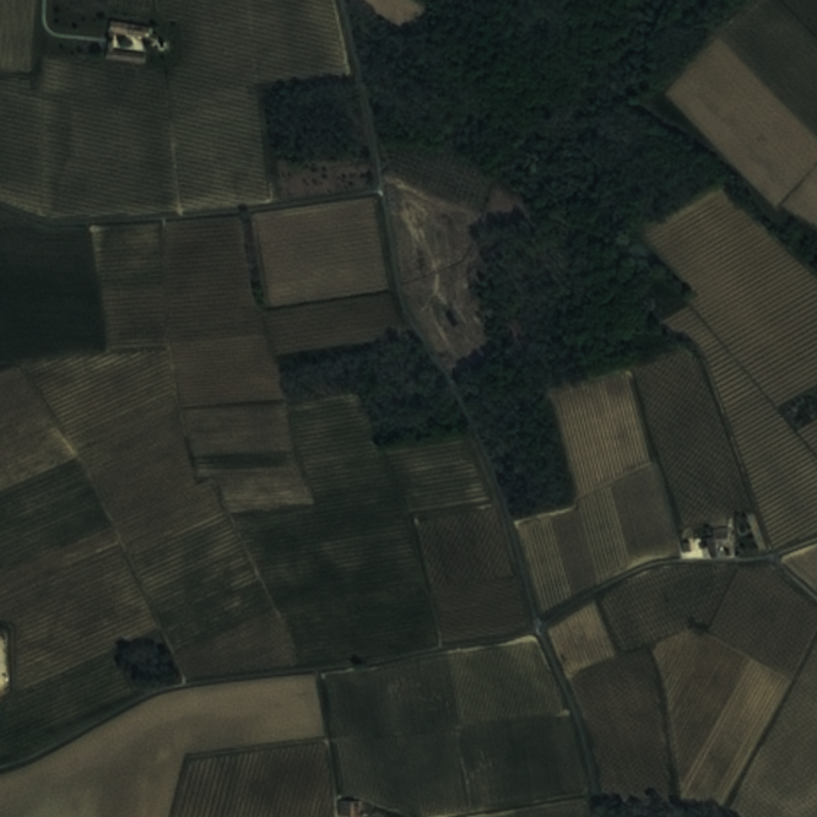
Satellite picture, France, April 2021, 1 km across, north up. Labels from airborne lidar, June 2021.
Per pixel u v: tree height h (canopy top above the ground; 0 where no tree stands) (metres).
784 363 0
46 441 0
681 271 0
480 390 25
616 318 25
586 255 24
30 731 0
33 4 0
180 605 0
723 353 0
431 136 23
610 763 0
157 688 19
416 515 0
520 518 15
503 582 0
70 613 0
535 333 8
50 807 0
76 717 0
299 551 0
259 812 0
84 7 16
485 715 0
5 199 0
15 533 0
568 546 0
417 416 20
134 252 0
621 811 19
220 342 0
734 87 0
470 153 25
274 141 15
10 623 0
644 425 0
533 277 19
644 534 0
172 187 0
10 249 0
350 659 0
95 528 0
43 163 0
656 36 17
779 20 0
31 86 0
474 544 0
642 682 0
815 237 6
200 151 0
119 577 0
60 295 0
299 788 0
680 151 21
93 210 0
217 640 0
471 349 0
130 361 0
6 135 0
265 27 0
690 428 0
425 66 19
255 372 0
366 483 0
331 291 0
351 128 25
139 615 0
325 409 0
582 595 0
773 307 0
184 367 0
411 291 0
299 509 0
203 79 0
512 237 22
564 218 23
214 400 0
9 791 0
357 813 0
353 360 16
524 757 0
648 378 0
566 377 17
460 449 0
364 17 18
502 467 19
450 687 0
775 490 0
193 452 0
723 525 0
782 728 0
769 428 0
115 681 0
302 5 0
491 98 29
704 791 0
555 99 26
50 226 0
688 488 0
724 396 0
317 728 0
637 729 0
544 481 18
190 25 0
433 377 23
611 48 22
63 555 0
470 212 0
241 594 0
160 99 0
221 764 0
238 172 0
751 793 0
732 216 0
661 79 24
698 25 20
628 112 20
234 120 0
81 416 0
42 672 0
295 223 0
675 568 0
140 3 0
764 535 0
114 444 0
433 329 0
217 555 0
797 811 0
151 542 0
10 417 0
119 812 0
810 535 0
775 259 0
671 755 0
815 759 0
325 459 0
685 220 0
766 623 0
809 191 0
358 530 0
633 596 0
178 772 0
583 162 0
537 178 0
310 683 0
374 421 18
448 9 19
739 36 0
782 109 0
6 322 0
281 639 0
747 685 0
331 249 0
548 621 0
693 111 0
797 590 0
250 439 0
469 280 0
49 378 0
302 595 0
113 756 0
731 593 0
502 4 23
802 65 0
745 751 0
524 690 0
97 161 0
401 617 0
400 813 0
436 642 0
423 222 0
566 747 0
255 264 15
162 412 0
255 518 0
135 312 0
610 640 0
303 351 0
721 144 0
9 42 0
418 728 0
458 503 0
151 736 0
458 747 0
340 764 0
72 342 0
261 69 0
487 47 25
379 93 25
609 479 0
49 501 0
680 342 15
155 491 0
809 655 0
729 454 0
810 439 0
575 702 0
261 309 12
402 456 0
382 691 0
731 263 0
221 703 0
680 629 0
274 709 0
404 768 0
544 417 18
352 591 0
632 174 19
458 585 0
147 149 0
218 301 0
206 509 0
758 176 0
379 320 0
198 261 0
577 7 23
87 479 0
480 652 0
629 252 13
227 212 0
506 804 0
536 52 21
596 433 0
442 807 0
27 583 0
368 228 0
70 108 0
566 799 0
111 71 0
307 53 0
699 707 0
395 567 0
